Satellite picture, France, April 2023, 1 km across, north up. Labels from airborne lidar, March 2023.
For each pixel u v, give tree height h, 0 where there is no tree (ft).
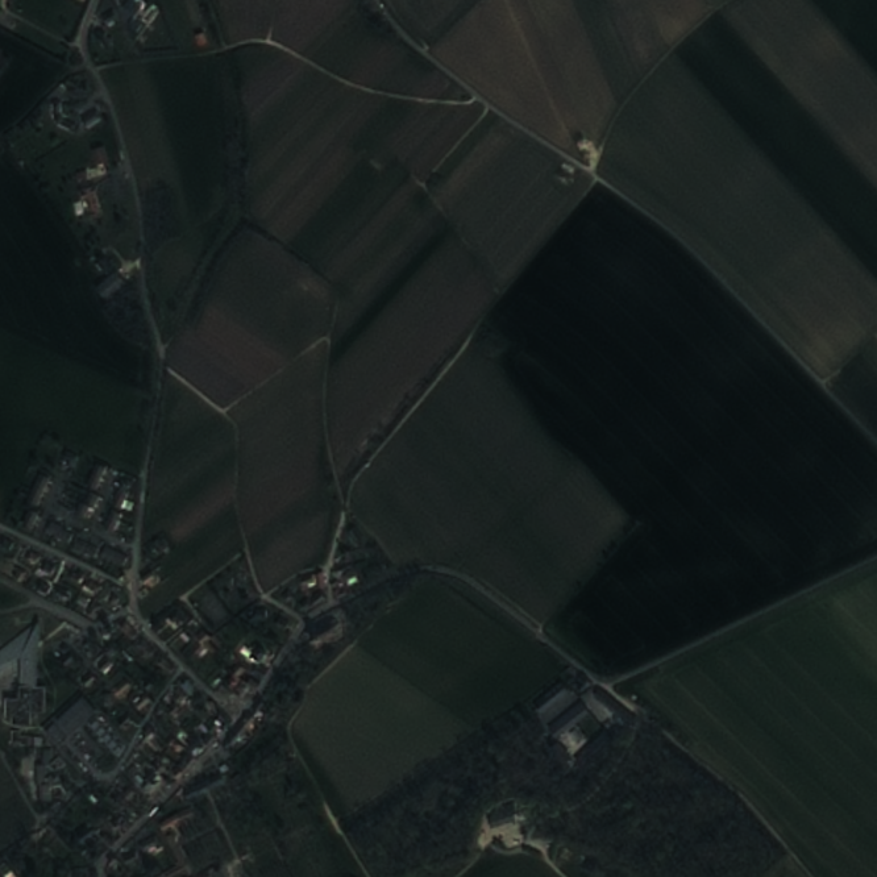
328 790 0
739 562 0
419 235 0
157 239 42
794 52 0
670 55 0
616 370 0
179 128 0
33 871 64
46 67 0
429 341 0
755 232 0
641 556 0
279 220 0
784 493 0
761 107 0
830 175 0
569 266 0
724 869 61
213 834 66
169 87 0
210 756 0
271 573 0
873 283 0
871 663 0
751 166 0
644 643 0
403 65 0
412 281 0
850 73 0
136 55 0
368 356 0
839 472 0
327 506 0
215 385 0
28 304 0
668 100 0
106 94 0
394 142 0
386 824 82
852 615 0
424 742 0
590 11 0
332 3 0
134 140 0
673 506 0
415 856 81
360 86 0
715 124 0
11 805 0
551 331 0
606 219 0
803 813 0
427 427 0
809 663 0
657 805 89
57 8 0
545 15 0
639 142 0
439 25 0
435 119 0
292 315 0
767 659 0
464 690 0
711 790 71
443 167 0
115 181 0
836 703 0
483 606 0
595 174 0
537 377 0
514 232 0
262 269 0
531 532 0
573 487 0
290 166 0
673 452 0
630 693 0
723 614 0
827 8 0
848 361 0
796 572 0
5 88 0
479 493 0
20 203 0
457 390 0
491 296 0
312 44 0
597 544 0
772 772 0
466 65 0
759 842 76
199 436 0
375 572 42
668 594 0
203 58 0
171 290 0
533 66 0
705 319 0
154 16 0
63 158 0
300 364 0
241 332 0
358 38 0
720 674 0
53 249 0
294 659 46
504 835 0
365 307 0
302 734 0
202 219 0
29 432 0
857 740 0
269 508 0
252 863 0
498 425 0
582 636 0
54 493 0
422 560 0
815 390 0
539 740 70
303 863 0
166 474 0
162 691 0
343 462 0
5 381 0
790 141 0
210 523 0
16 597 0
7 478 0
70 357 0
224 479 0
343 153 0
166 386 45
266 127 0
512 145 0
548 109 0
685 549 0
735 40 0
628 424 0
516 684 0
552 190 0
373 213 0
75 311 0
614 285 0
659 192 0
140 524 0
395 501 0
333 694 0
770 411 0
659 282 0
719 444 0
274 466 0
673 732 0
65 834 63
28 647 0
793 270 0
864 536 0
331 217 0
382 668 0
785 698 0
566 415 0
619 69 0
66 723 0
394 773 0
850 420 0
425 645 0
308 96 0
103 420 0
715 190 0
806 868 0
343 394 0
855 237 0
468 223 0
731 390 0
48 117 0
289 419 0
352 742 0
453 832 89
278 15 0
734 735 0
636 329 0
